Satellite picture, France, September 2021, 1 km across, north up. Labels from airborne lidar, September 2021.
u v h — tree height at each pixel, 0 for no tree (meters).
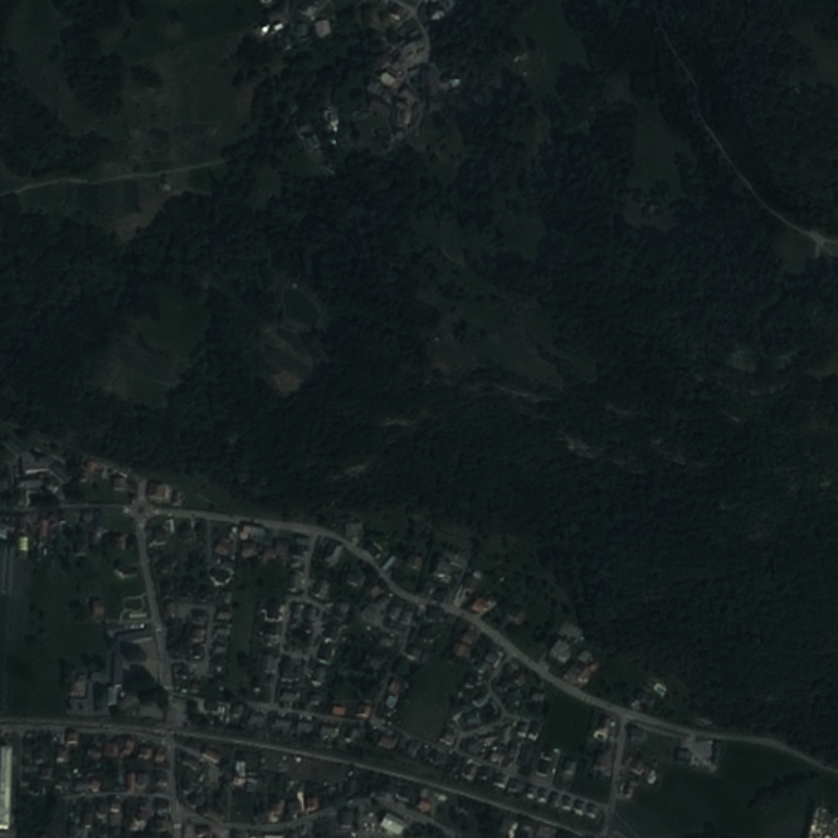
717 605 22
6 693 0
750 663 19
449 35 17
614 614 11
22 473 10
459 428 19
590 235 17
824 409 6
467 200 21
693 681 17
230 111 0
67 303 29
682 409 20
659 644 26
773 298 19
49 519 0
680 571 19
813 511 20
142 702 11
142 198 0
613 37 14
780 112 27
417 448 20
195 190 0
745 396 10
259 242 21
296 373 0
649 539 27
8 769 0
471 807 12
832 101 16
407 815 0
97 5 19
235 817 0
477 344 0
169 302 0
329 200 18
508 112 19
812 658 17
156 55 0
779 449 13
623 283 19
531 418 16
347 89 0
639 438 15
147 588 0
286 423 22
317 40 7
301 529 0
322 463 21
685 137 10
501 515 23
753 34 20
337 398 11
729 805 0
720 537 16
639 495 31
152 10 0
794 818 0
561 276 23
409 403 12
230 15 0
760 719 13
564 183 19
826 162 6
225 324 22
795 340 16
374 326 22
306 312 0
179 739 6
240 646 0
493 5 21
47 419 13
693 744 0
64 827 0
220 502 0
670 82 13
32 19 0
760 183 12
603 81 7
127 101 0
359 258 19
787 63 24
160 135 0
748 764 0
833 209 13
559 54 0
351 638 6
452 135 0
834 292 11
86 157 17
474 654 8
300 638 11
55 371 24
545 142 0
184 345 0
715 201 12
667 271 20
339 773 0
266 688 0
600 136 10
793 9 19
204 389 24
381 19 9
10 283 16
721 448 22
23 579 0
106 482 0
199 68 0
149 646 0
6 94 21
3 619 0
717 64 13
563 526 22
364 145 0
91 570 11
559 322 20
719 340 9
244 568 6
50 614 0
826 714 25
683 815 0
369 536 9
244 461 20
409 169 22
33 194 0
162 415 10
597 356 24
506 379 14
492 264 13
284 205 15
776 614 21
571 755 0
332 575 8
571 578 25
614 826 0
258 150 25
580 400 11
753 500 14
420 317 12
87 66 10
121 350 0
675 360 23
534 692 8
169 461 18
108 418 16
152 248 27
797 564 22
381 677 10
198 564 6
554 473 14
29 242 13
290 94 23
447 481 28
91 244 26
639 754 6
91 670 15
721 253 23
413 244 14
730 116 6
